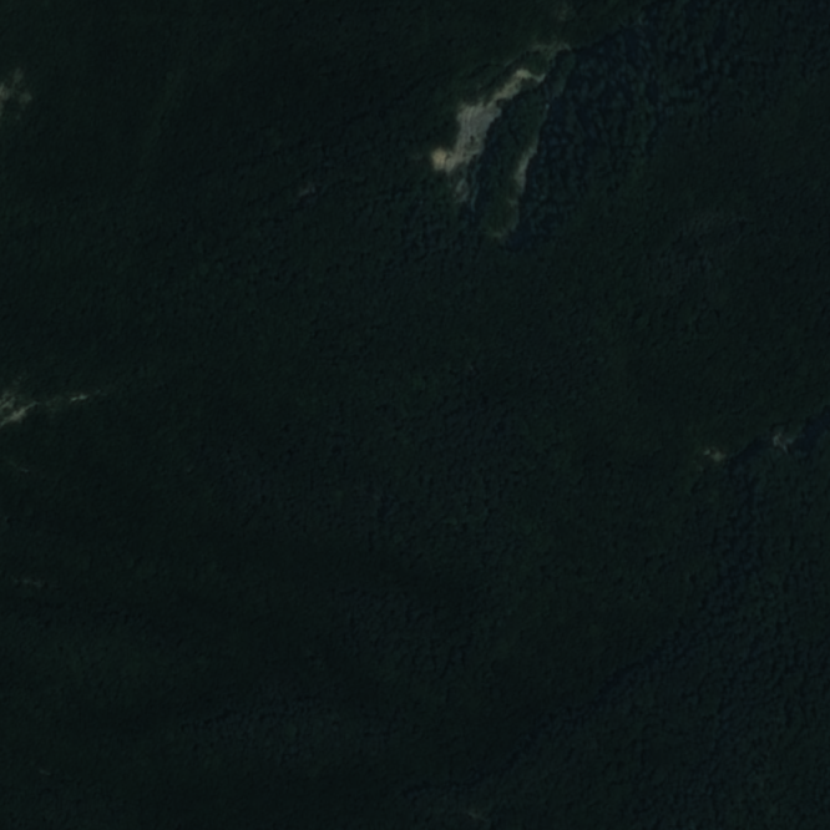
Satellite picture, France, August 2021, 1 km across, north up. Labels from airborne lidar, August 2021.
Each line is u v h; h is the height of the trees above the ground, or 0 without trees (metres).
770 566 25
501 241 8
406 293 28
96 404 15
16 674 19
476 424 36
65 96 16
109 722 24
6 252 16
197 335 28
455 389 32
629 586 26
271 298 29
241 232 30
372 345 37
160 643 30
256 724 34
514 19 16
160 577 22
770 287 30
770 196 38
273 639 27
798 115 27
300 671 28
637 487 36
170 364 15
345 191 32
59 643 30
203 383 24
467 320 26
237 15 13
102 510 23
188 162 14
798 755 6
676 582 29
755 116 21
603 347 18
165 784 23
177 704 25
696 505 21
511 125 18
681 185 25
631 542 34
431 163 24
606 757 18
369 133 29
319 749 31
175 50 14
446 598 26
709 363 35
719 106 20
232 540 22
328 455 28
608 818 19
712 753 27
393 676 17
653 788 24
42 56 12
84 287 22
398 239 33
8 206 12
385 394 30
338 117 21
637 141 24
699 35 22
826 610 27
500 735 26
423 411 27
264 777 33
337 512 32
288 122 19
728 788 31
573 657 31
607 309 34
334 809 22
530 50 8
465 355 27
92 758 23
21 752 15
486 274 22
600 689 23
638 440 37
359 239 34
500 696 23
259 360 24
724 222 31
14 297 18
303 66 23
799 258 34
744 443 20
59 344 20
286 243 30
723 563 29
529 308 23
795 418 15
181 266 25
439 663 32
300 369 29
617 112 34
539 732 23
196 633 18
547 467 35
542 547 31
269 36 15
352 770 21
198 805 22
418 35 26
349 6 22
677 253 35
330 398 28
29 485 16
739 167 24
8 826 26
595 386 29
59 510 19
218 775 23
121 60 14
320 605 14
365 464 27
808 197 35
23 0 9
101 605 22
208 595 24
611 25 20
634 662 25
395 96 21
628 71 37
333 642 21
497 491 32
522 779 24
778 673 33
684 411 27
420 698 20
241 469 28
